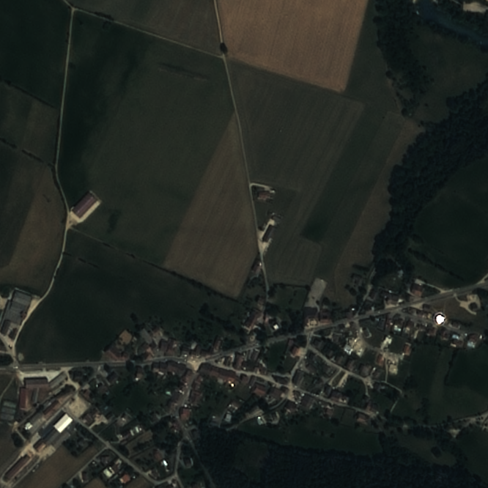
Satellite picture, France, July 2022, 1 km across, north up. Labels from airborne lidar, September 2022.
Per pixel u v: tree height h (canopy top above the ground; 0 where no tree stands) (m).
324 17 0
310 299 0
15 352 0
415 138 0
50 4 0
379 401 0
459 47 0
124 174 0
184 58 0
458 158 20
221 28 0
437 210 0
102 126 0
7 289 0
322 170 0
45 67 0
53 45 0
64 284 0
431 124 15
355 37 0
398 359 0
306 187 0
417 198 12
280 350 0
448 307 0
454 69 0
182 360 0
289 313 12
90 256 0
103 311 0
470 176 0
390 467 28
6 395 0
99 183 0
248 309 7
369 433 0
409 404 0
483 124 19
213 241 0
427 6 0
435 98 0
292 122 0
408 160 19
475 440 0
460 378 0
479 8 0
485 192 0
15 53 0
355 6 0
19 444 14
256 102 0
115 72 0
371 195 0
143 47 0
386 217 0
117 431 0
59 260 0
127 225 0
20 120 0
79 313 0
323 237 0
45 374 0
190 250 0
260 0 0
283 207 0
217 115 0
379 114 0
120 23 0
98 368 0
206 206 0
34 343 0
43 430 0
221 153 0
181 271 0
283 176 0
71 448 11
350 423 0
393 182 18
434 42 0
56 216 0
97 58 0
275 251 0
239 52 0
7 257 0
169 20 0
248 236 0
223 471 15
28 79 0
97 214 0
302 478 22
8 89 0
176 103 0
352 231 0
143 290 0
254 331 7
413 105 13
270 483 24
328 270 0
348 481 21
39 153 0
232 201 0
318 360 0
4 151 0
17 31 0
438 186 17
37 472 0
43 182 0
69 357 0
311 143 0
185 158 0
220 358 0
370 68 0
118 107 0
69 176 0
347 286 7
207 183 0
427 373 0
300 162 0
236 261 0
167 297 0
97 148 0
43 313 0
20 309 0
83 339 0
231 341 6
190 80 0
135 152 0
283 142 0
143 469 6
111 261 0
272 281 0
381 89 0
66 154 0
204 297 0
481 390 0
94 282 0
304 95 0
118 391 0
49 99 0
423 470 24
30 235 0
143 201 0
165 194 0
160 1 0
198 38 0
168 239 0
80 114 0
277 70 0
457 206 0
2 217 0
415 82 7
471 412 0
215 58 0
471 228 0
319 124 0
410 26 8
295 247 0
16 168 0
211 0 0
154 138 0
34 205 0
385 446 18
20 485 0
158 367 0
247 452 0
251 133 0
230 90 0
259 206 0
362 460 19
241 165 0
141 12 0
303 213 0
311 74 0
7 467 0
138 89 0
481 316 0
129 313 0
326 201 0
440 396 0
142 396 0
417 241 17
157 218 0
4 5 0
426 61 0
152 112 0
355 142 0
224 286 0
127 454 11
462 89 0
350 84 0
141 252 0
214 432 17
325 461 22
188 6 0
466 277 0
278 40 0
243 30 0
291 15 0
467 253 0
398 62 7
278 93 0
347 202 0
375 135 0
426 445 0
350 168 0
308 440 0
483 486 7
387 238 23
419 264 0
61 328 0
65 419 0
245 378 0
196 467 12
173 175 0
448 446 17
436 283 0
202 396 0
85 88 0
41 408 10
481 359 0
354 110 0
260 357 10
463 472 31
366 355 0
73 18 0
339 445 0
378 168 0
